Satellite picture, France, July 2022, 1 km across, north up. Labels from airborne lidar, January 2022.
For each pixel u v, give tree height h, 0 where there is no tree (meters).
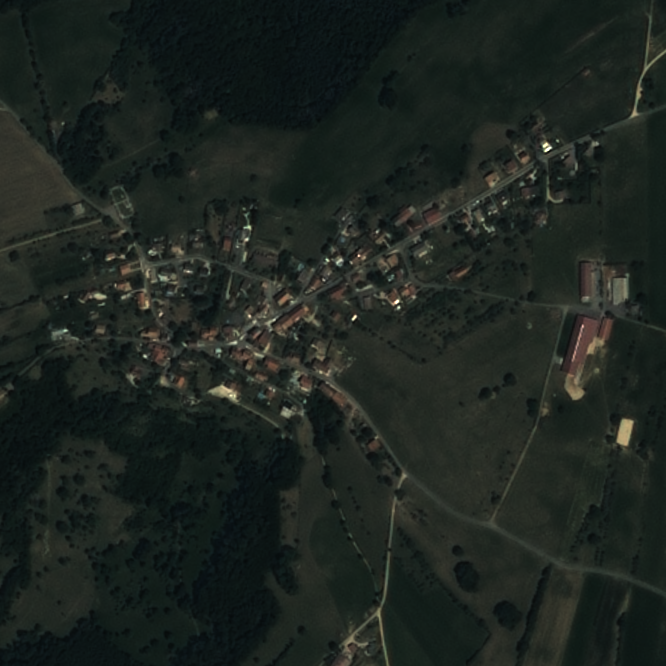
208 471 0
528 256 0
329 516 0
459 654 0
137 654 0
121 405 9
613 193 0
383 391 0
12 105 0
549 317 0
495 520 0
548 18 0
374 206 13
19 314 0
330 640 0
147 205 0
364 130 0
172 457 7
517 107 0
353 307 0
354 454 0
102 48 0
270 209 0
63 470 0
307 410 11
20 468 15
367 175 0
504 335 0
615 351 0
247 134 0
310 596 0
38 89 11
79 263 0
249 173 0
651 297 0
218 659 19
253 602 19
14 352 0
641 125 0
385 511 0
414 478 0
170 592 6
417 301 0
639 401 0
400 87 0
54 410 8
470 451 0
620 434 0
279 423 0
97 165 15
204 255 0
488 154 0
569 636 0
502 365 0
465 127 0
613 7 0
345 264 11
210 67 24
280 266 7
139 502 9
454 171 0
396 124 0
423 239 8
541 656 0
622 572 0
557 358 0
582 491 0
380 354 0
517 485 0
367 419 0
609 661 0
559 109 0
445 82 0
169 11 21
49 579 0
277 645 0
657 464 0
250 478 21
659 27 0
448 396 0
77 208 0
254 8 22
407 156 0
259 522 22
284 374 12
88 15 0
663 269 0
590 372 0
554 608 0
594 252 0
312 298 0
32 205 0
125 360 17
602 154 11
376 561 0
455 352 0
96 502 6
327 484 11
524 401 0
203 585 18
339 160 0
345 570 0
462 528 0
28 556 10
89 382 0
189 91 13
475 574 12
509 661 0
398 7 19
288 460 17
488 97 0
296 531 0
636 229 0
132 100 0
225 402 10
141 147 0
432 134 0
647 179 0
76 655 10
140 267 0
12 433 21
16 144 0
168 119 0
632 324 0
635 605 0
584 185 7
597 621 0
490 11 0
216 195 0
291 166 0
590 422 0
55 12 0
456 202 0
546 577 10
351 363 0
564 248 0
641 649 0
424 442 0
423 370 0
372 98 0
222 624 25
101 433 7
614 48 0
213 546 0
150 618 12
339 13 16
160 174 16
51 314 0
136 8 12
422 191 0
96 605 0
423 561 7
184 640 0
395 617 0
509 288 0
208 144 0
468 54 0
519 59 0
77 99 0
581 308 0
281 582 16
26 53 0
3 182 0
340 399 0
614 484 7
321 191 0
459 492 0
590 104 0
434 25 0
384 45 13
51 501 0
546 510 0
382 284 11
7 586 18
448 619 0
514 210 0
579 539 8
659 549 0
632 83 0
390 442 0
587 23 0
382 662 0
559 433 0
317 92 14
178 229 0
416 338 0
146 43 17
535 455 0
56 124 0
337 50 15
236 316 0
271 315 0
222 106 19
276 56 21
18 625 0
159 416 12
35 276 0
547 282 0
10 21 0
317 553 0
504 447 0
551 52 0
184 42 23
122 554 0
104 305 0
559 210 0
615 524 0
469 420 0
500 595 0
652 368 0
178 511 21
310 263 9
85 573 0
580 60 0
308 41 14
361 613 0
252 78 20
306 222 0
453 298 9
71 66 0
